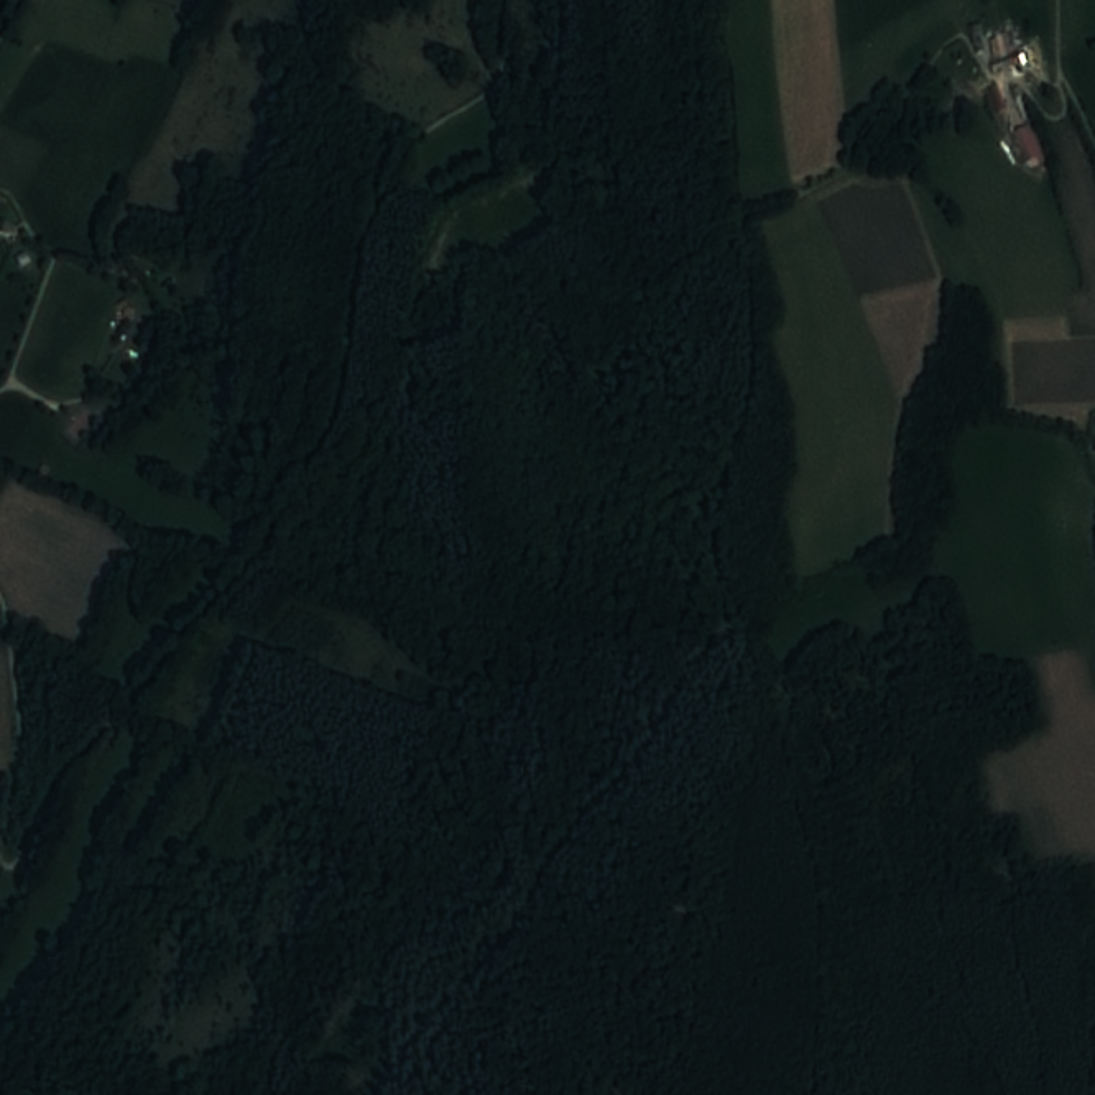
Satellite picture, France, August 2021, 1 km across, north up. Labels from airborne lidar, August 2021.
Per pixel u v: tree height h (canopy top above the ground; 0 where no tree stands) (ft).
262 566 58
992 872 72
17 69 0
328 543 64
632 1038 60
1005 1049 52
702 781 58
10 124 0
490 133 0
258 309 87
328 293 77
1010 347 0
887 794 22
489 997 83
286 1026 72
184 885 52
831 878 44
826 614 0
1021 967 61
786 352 0
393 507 76
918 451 67
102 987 72
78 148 0
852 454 0
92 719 79
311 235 91
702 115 75
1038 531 0
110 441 63
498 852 90
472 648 75
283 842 24
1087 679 0
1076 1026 52
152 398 95
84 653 61
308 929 79
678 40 80
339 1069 84
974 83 0
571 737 91
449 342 72
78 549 0
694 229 76
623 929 66
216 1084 72
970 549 0
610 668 102
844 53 0
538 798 86
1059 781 0
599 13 86
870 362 0
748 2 0
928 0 0
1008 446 0
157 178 0
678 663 90
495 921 102
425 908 65
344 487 52
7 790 51
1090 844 0
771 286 69
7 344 0
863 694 67
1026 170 0
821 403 0
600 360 86
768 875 42
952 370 84
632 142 78
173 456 0
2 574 0
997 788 0
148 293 25
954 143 0
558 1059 66
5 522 0
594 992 65
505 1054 76
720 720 75
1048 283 0
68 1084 78
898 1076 40
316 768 84
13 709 0
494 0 72
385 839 66
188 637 91
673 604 80
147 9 0
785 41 0
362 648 0
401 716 83
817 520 0
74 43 0
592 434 78
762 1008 43
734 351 63
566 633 62
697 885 66
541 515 73
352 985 77
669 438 71
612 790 33
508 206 0
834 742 72
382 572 59
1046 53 0
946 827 55
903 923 51
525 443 54
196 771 59
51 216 0
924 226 0
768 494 73
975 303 62
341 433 81
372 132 70
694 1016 40
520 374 58
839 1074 42
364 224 71
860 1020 58
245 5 0
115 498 0
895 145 64
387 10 70
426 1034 99
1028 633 0
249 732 81
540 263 93
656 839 62
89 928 82
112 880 75
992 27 0
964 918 61
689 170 73
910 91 33
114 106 0
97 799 0
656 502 57
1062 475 0
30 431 0
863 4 0
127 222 28
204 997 45
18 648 43
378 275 73
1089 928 42
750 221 57
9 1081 84
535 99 63
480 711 64
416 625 79
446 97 0
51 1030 92
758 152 0
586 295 84
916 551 59
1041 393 0
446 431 94
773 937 42
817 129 0
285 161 80
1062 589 0
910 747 44
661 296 86
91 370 48
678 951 67
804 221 0
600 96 81
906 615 69
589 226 84
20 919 19
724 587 57
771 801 46
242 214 52
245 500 65
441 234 0
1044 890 57
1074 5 0
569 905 78
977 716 63
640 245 73
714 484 61
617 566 57
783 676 49
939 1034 49
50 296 0
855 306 0
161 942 31
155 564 60
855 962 53
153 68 0
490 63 56
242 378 100
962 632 73
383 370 80
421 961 92
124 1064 37
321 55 83
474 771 76
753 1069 48
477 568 80
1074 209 0
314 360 76
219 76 0
